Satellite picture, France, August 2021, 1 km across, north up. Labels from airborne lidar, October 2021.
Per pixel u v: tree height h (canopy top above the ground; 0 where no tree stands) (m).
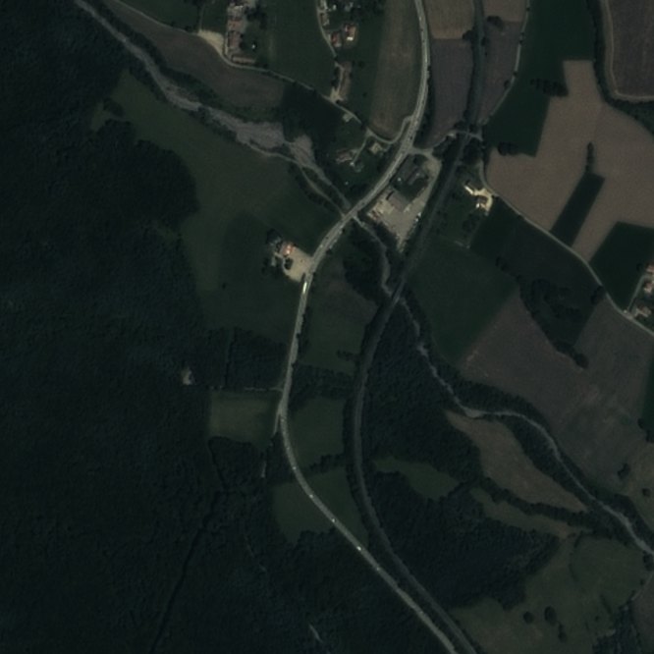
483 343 0
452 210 0
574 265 0
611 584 0
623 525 8
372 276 12
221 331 7
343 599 8
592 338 0
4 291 12
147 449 23
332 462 18
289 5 0
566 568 0
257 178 0
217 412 0
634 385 0
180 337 18
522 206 0
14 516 24
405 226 0
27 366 17
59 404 21
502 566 12
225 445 20
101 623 23
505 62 0
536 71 0
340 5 8
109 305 11
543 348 0
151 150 21
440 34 0
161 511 28
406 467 0
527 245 0
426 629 14
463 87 0
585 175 0
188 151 0
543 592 0
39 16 27
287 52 0
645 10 0
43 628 23
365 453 14
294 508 0
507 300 0
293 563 13
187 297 14
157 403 18
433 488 0
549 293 16
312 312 8
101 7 12
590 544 0
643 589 8
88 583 23
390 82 0
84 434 20
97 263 19
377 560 13
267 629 27
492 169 0
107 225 22
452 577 11
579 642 0
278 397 0
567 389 0
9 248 24
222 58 0
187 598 18
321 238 0
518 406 15
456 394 12
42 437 23
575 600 0
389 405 12
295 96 0
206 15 0
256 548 20
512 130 0
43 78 22
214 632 22
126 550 25
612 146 0
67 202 16
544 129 0
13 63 30
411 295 12
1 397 20
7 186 21
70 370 19
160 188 17
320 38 0
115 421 16
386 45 0
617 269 0
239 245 0
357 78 0
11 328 15
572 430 0
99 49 15
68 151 20
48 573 25
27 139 25
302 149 0
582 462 0
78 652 22
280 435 12
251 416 0
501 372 0
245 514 16
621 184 0
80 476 26
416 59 0
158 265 14
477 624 0
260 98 0
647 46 0
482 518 7
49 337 25
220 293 0
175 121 0
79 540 24
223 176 0
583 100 0
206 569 21
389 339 11
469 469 17
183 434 23
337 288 0
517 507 9
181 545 28
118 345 17
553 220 0
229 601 18
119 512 27
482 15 0
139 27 0
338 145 0
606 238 0
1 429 21
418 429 21
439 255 0
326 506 0
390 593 9
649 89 0
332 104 0
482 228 0
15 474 23
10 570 25
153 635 18
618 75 0
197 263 0
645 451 0
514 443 0
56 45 16
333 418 0
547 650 0
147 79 12
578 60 0
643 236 0
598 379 0
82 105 21
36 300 15
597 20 13
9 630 20
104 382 20
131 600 26
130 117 0
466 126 11
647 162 0
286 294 0
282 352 10
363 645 9
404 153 0
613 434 0
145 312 13
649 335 0
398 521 21
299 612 15
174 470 26
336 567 7
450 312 0
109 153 18
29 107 22
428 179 0
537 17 0
